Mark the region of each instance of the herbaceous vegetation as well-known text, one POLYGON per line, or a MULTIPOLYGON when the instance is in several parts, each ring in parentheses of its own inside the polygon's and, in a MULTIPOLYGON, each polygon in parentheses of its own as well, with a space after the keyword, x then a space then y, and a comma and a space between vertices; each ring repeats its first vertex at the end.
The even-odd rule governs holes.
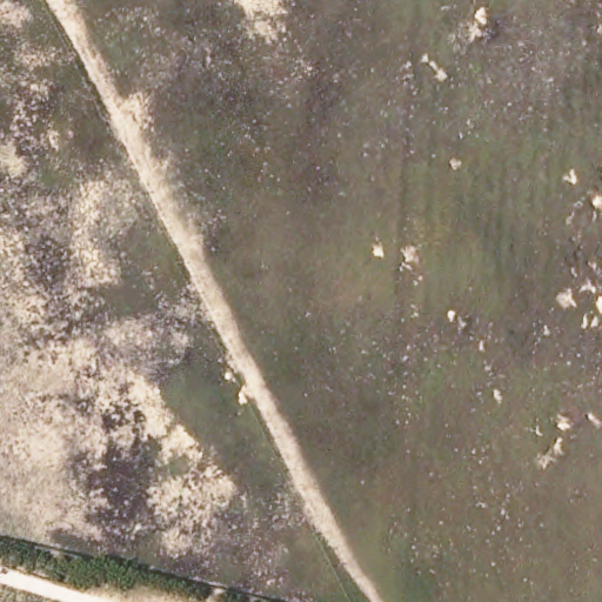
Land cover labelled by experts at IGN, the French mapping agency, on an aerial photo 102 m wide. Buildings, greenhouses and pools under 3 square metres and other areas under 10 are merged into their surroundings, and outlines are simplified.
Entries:
POLYGON ((172 162, 172 165, 179 169, 186 188, 186 202, 195 212, 195 233, 202 238, 207 268, 212 270, 212 277, 219 285, 223 301, 233 313, 245 350, 252 355, 280 416, 287 421, 299 444, 301 459, 308 473, 313 475, 325 503, 329 506, 355 562, 374 583, 383 602, 602 602, 602 320, 597 327, 581 327, 583 317, 595 317, 600 308, 593 294, 583 292, 581 285, 602 285, 602 0, 282 0, 287 28, 285 33, 277 33, 273 40, 266 40, 263 35, 247 38, 242 19, 247 14, 238 5, 238 0, 75 0, 75 7, 87 28, 92 52, 96 56, 101 54, 101 59, 106 61, 108 78, 113 80, 118 96, 127 99, 134 92, 146 94, 153 122, 155 129, 174 146, 172 162), (454 28, 459 28, 461 21, 473 21, 477 9, 484 9, 487 24, 482 26, 480 35, 466 47, 466 54, 459 54, 452 49, 447 35, 454 28))
POLYGON ((256 402, 249 400, 240 404, 238 395, 245 386, 245 376, 228 364, 228 350, 216 327, 205 317, 188 320, 181 329, 188 336, 183 360, 179 364, 160 364, 146 381, 160 388, 165 409, 169 409, 169 414, 179 419, 179 423, 195 442, 216 447, 216 468, 221 468, 223 475, 230 477, 230 482, 249 496, 249 506, 242 506, 230 496, 228 508, 212 513, 216 517, 216 531, 212 534, 214 546, 205 555, 183 550, 179 557, 172 557, 167 546, 162 543, 165 529, 155 515, 155 506, 151 503, 146 503, 141 513, 136 513, 134 524, 101 524, 101 539, 96 541, 73 536, 66 529, 52 531, 52 539, 59 541, 61 553, 118 553, 127 560, 141 560, 151 569, 209 583, 212 593, 205 602, 221 602, 221 595, 228 588, 247 590, 247 595, 273 595, 285 602, 369 602, 364 593, 357 588, 357 583, 343 569, 334 548, 306 515, 303 499, 296 494, 292 484, 282 454, 275 447, 275 440, 256 402))
POLYGON ((113 235, 108 245, 101 249, 106 261, 115 261, 120 273, 118 282, 89 287, 89 294, 101 296, 106 303, 111 303, 108 315, 115 322, 120 322, 139 320, 141 315, 153 313, 160 299, 179 303, 179 292, 190 282, 190 275, 183 266, 176 245, 167 235, 165 223, 158 219, 158 212, 151 202, 134 207, 136 221, 129 226, 129 230, 125 235, 113 235))
POLYGON ((92 82, 78 49, 73 47, 68 33, 63 31, 61 21, 56 19, 47 0, 9 0, 26 7, 31 12, 31 19, 21 26, 0 24, 0 146, 12 143, 16 148, 16 155, 24 158, 26 167, 38 174, 33 183, 24 183, 14 193, 14 200, 61 198, 89 181, 99 181, 113 162, 120 162, 127 155, 127 148, 113 132, 108 108, 96 85, 92 82), (24 66, 14 59, 14 52, 21 42, 31 42, 35 52, 54 47, 54 61, 49 66, 38 68, 24 66))

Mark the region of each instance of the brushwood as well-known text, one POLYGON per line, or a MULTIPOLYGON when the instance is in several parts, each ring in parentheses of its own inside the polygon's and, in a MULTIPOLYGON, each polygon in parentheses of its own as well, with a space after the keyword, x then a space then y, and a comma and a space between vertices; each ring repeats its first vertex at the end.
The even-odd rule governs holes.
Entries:
POLYGON ((127 593, 146 586, 155 593, 195 602, 205 602, 212 593, 209 583, 151 569, 141 560, 127 560, 118 553, 61 553, 61 557, 54 557, 42 543, 0 534, 0 567, 28 574, 33 578, 52 581, 80 593, 92 593, 103 586, 118 593, 127 593))
POLYGON ((228 588, 221 595, 221 602, 285 602, 273 595, 247 595, 247 590, 228 588))

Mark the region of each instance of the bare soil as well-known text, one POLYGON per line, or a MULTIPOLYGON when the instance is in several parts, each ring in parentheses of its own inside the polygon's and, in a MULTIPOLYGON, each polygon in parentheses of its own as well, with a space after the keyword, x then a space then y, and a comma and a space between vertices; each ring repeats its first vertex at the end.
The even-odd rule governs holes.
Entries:
POLYGON ((31 19, 31 12, 26 7, 9 0, 0 0, 0 24, 21 26, 31 19))
POLYGON ((151 155, 155 160, 172 162, 174 146, 155 129, 153 122, 146 125, 141 139, 151 146, 151 155))
POLYGON ((287 28, 282 0, 238 0, 238 5, 247 14, 242 19, 247 38, 263 35, 266 40, 273 40, 277 33, 285 33, 287 28))
POLYGON ((165 183, 169 186, 172 200, 176 202, 176 216, 183 230, 195 233, 195 212, 186 202, 186 188, 179 169, 172 165, 167 169, 165 183))
POLYGON ((487 24, 484 9, 477 9, 473 21, 461 21, 459 28, 454 28, 447 35, 452 49, 459 54, 466 54, 466 47, 480 35, 482 26, 487 24))
POLYGON ((165 529, 162 543, 167 546, 172 557, 179 557, 183 550, 205 555, 214 546, 212 534, 216 531, 216 517, 212 513, 228 508, 230 496, 242 506, 249 506, 249 496, 230 482, 230 477, 223 475, 221 468, 216 468, 216 447, 195 442, 179 423, 179 419, 169 414, 169 409, 165 409, 160 388, 146 381, 160 364, 179 364, 183 360, 188 336, 181 329, 188 320, 205 317, 202 299, 198 296, 198 292, 190 289, 190 282, 179 292, 179 303, 160 299, 153 313, 141 315, 139 320, 120 322, 115 322, 108 315, 111 303, 106 303, 101 296, 89 294, 89 287, 118 282, 120 273, 115 261, 106 261, 101 249, 108 245, 113 235, 125 235, 129 230, 129 226, 136 221, 134 207, 151 202, 148 190, 141 186, 141 179, 127 155, 120 162, 113 162, 99 181, 89 181, 61 198, 14 200, 14 193, 24 183, 33 183, 38 174, 26 167, 24 158, 16 155, 16 148, 12 143, 0 146, 0 534, 42 543, 54 557, 61 557, 61 553, 59 541, 52 539, 52 531, 66 529, 73 536, 96 541, 101 539, 101 524, 134 524, 136 513, 141 513, 146 503, 151 503, 155 506, 155 515, 165 529))
POLYGON ((31 42, 21 42, 14 52, 14 59, 24 66, 38 68, 49 66, 54 61, 54 47, 35 52, 31 42))
POLYGON ((597 327, 602 320, 602 285, 581 285, 583 292, 593 294, 600 308, 595 317, 583 317, 581 327, 597 327))

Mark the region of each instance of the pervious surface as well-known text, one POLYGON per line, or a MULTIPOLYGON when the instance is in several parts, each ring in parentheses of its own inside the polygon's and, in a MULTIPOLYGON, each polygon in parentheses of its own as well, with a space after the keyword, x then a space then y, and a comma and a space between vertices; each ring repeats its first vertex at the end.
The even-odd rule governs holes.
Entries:
POLYGON ((92 593, 80 593, 52 581, 33 578, 28 574, 0 567, 0 602, 195 602, 155 593, 146 586, 127 593, 118 593, 103 586, 92 593))
POLYGON ((167 169, 172 165, 172 162, 155 160, 151 155, 151 146, 141 139, 146 125, 153 122, 146 94, 134 92, 127 99, 118 96, 113 80, 108 78, 106 61, 101 59, 101 54, 96 56, 92 52, 87 28, 75 7, 75 0, 47 0, 56 19, 61 21, 63 31, 68 33, 73 47, 78 49, 92 82, 96 85, 108 108, 113 132, 127 148, 127 155, 141 179, 141 186, 148 190, 151 202, 158 212, 158 219, 165 223, 167 235, 176 245, 183 266, 190 275, 190 282, 190 289, 198 292, 198 296, 202 299, 205 317, 216 327, 228 350, 228 364, 245 376, 245 386, 238 395, 240 404, 249 400, 256 402, 275 440, 275 447, 282 454, 292 484, 296 494, 303 499, 306 515, 334 548, 343 569, 357 583, 357 588, 364 593, 369 602, 383 602, 374 583, 355 562, 329 506, 325 503, 313 475, 308 473, 301 459, 299 444, 287 421, 280 416, 252 355, 245 350, 233 313, 223 301, 219 285, 212 277, 212 270, 207 268, 202 238, 195 233, 183 230, 176 216, 176 202, 172 200, 169 186, 165 183, 167 169))

